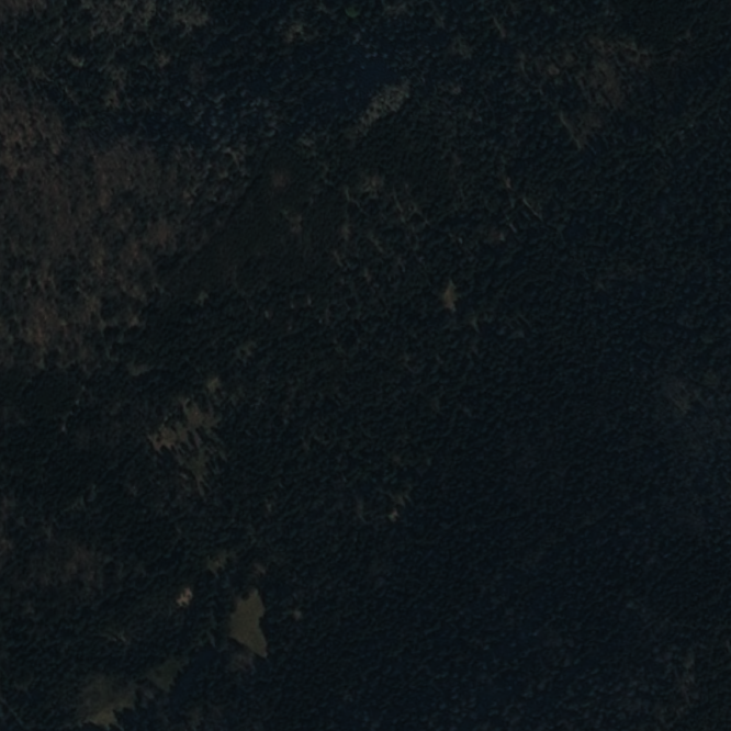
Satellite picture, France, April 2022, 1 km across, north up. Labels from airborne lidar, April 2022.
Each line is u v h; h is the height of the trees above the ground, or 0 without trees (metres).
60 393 21
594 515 23
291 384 30
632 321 33
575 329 30
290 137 13
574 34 31
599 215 35
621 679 15
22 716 23
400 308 26
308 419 29
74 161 33
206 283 22
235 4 23
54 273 18
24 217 27
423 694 15
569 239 32
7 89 24
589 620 21
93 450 18
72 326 27
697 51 14
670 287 32
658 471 19
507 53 34
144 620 13
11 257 27
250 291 25
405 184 26
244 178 26
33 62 41
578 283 32
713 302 30
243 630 0
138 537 29
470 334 36
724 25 10
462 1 17
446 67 27
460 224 23
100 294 24
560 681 21
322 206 23
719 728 18
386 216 19
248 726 27
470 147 18
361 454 6
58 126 25
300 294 19
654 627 12
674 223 36
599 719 23
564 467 26
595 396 24
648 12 9
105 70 21
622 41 11
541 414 22
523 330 22
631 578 19
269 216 22
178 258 20
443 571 26
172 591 19
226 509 34
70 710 17
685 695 17
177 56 25
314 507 19
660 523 19
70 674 23
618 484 24
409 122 22
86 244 28
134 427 25
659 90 9
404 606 26
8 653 22
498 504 25
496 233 27
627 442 26
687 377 20
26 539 31
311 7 17
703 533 24
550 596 19
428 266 32
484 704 14
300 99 24
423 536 28
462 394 6
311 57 34
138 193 30
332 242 26
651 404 25
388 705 21
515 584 19
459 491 18
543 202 14
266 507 29
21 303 28
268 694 29
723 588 18
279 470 37
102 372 18
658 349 31
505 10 34
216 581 20
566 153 30
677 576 19
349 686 16
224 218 23
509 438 24
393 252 27
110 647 11
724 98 34
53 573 25
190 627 14
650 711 14
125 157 25
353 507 27
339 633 24
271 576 11
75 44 43
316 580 31
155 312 27
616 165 38
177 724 29
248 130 20
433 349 29
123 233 29
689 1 20
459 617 24
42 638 17
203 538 34
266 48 43
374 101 28
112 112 10
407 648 9
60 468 24
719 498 20
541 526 23
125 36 14
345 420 15
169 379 27
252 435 36
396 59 30
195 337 25
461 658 22
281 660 28
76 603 15
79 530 25
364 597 20
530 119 26
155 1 14
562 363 26
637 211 40
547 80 37
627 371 32
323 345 27
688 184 36
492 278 36
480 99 19
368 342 29
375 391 27
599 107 37
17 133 26
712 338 31
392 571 21
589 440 31
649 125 8
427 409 30
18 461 22
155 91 30
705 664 21
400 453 24
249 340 26
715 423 31
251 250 22
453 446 27
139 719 15
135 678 27
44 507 25
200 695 33
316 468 28
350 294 24
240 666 23
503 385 32
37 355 21
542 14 36
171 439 0
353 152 21
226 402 32
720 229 38
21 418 23
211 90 13
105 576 20
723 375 29
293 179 19
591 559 28
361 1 37
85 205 28
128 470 28
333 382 9
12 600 13
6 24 16
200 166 24
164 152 22
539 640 22
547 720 17
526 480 27
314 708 27
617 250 39
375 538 28
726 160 38
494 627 20
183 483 22
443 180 22
